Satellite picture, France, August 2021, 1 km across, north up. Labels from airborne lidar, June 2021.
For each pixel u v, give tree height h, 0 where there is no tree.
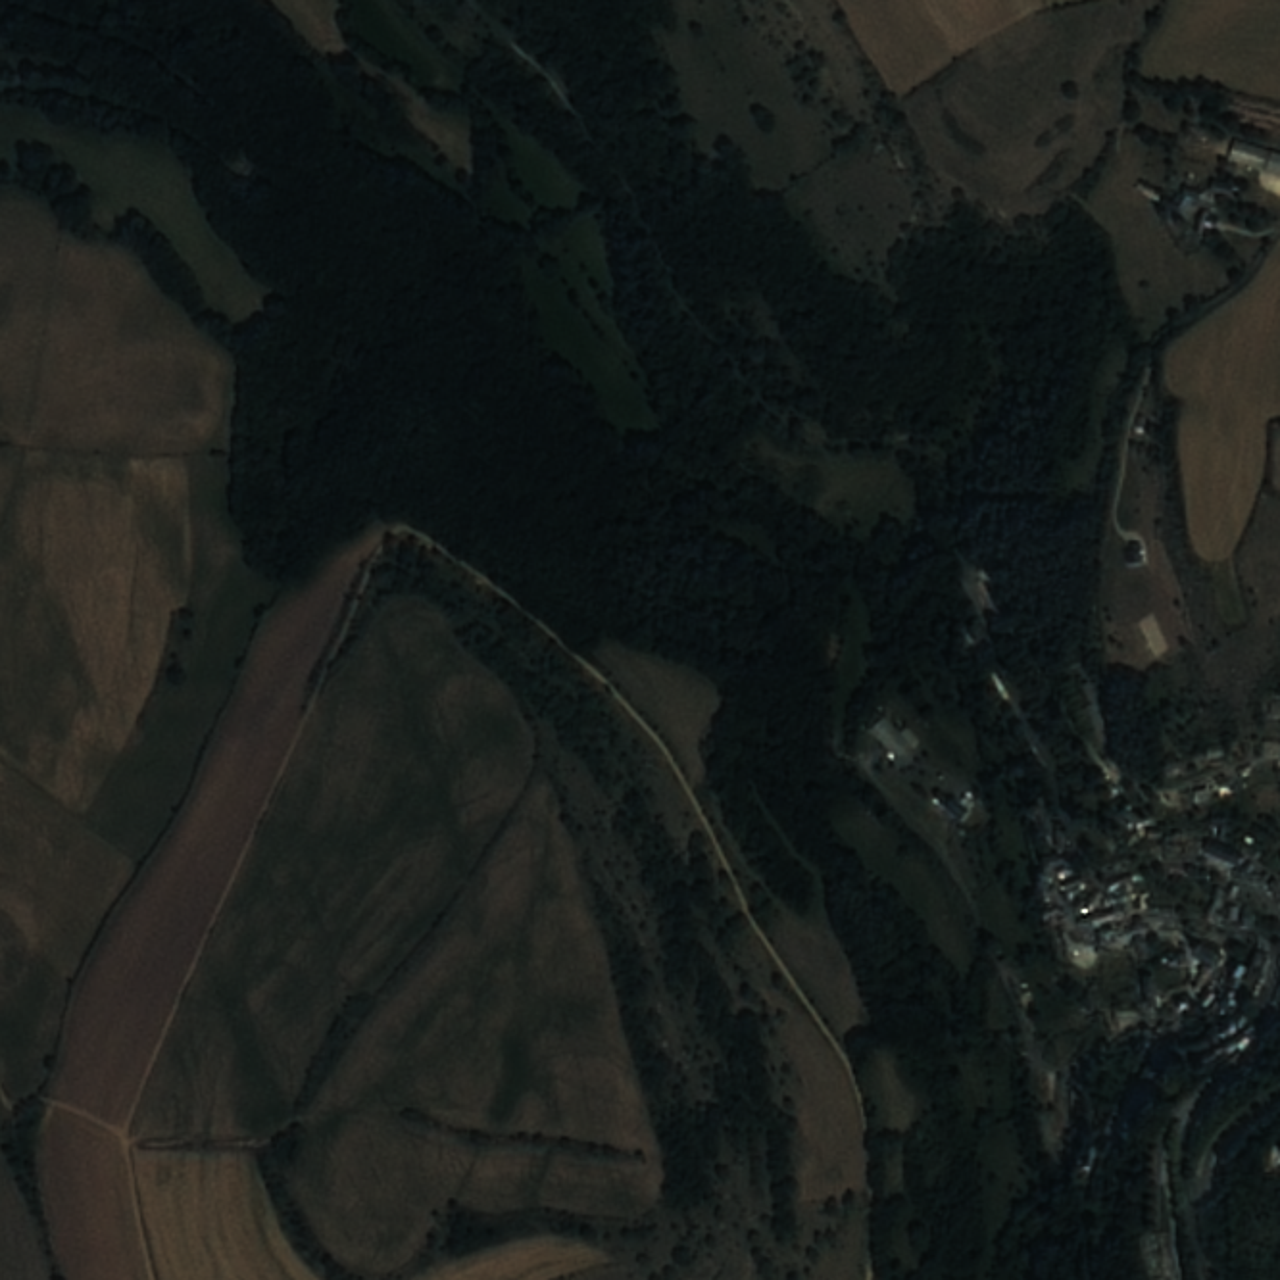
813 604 14
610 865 6
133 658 0
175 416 0
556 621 13
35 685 0
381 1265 0
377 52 7
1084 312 14
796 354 12
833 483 0
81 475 0
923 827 0
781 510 16
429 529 13
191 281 18
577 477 31
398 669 0
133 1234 0
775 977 8
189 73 18
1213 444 0
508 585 15
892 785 0
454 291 28
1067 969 8
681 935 12
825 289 15
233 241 19
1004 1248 16
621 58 20
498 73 12
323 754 0
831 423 13
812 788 21
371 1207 0
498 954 0
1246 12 0
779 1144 13
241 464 16
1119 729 25
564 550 26
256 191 22
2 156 0
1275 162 0
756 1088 11
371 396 23
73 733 0
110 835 0
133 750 0
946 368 16
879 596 23
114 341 0
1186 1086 9
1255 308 0
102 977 0
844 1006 0
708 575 19
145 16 15
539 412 29
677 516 15
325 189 25
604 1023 0
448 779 0
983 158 0
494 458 31
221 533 0
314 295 22
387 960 0
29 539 0
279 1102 0
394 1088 0
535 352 31
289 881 0
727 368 17
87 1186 0
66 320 0
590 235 0
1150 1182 11
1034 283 15
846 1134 0
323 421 26
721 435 10
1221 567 0
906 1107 0
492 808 0
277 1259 0
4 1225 0
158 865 0
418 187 24
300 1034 0
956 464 14
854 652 0
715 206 18
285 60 24
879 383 16
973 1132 8
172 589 0
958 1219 15
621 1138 0
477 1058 0
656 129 14
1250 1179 6
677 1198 8
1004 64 0
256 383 18
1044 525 25
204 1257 0
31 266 0
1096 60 0
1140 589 0
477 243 23
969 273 19
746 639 13
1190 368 0
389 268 23
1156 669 9
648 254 25
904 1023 21
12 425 0
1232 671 0
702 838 11
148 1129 0
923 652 11
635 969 7
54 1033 0
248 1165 0
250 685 0
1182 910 14
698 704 0
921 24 0
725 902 10
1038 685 22
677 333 15
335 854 0
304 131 23
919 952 8
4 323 0
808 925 0
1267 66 0
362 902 0
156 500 0
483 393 26
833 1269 0
